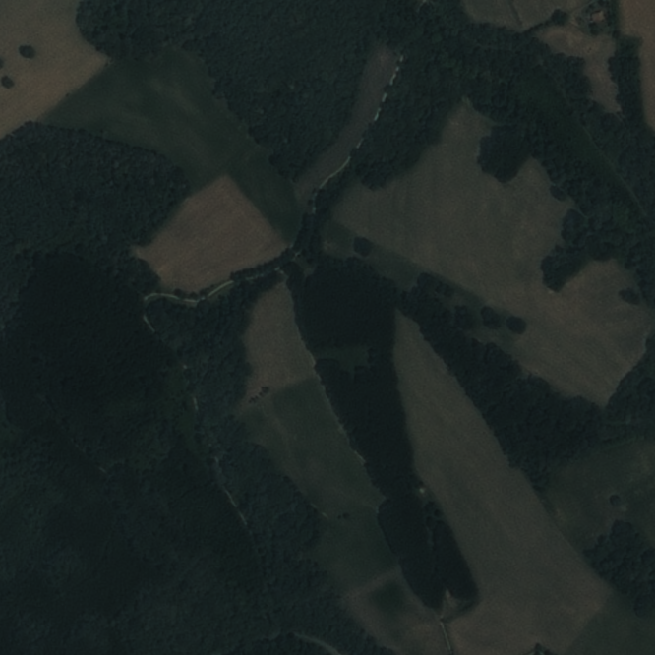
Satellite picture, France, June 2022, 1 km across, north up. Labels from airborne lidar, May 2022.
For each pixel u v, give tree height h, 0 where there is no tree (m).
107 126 0
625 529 19
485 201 0
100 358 23
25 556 6
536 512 0
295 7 15
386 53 0
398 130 13
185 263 0
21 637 22
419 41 24
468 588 19
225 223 0
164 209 17
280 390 0
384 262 0
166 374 23
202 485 18
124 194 21
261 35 17
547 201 0
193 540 13
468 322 23
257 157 0
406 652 0
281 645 28
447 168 0
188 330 26
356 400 17
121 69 0
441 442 0
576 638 0
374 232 0
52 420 6
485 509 0
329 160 0
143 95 0
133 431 10
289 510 17
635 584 20
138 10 26
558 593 0
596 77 0
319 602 19
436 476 0
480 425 0
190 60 0
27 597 11
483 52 11
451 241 0
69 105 0
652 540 0
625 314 0
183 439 23
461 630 0
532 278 0
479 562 0
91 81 0
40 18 0
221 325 30
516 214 0
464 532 0
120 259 14
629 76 16
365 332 18
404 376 0
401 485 17
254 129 19
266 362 0
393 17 23
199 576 17
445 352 29
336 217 0
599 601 0
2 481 7
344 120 15
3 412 14
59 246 7
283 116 27
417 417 0
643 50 0
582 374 0
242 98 19
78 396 28
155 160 14
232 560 10
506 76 13
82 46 0
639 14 0
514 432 27
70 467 7
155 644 22
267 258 0
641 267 22
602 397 0
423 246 0
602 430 21
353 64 12
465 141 0
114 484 26
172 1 22
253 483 29
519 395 34
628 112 15
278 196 0
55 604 9
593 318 0
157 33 22
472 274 0
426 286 24
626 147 10
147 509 21
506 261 0
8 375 22
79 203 22
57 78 0
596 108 20
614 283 0
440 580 19
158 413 8
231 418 23
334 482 0
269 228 0
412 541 23
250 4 16
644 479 0
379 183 22
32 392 23
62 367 22
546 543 0
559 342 0
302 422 0
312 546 17
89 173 18
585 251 24
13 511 7
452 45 26
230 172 0
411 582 19
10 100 0
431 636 0
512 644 0
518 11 0
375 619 0
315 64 28
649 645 0
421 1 0
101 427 25
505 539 0
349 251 0
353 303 17
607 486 0
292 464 0
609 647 0
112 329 20
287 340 0
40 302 26
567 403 23
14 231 20
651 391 29
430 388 0
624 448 0
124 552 8
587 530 0
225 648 23
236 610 19
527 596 0
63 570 7
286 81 26
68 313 25
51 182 23
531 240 0
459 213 0
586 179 17
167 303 21
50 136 14
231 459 31
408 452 18
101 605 15
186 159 0
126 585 9
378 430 18
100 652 20
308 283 18
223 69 11
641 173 19
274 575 29
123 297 28
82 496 6
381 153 23
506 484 0
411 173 0
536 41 13
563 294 0
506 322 0
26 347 20
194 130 0
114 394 10
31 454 13
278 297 0
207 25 23
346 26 13
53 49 0
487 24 11
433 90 13
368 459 15
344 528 0
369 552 0
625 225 31
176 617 11
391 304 16
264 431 0
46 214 20
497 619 0
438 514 15
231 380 29
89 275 29
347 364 0
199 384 24
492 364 31
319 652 11
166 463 12
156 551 28
